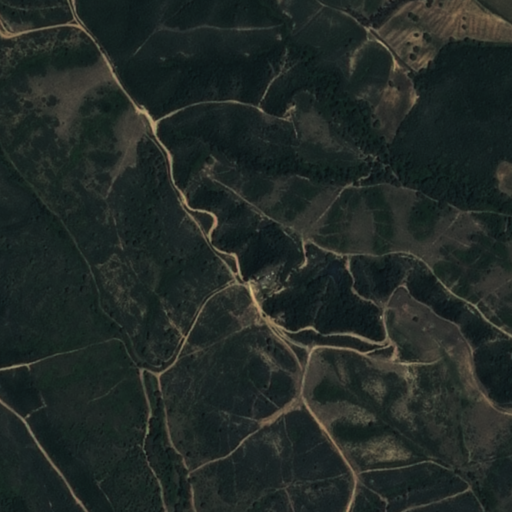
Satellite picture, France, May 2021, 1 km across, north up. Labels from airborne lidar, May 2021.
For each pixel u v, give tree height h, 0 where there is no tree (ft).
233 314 0
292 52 20
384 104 0
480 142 18
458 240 0
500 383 18
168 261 32
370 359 0
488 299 0
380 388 0
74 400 0
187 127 25
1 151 35
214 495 0
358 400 0
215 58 23
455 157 19
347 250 0
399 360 0
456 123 24
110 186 0
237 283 0
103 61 0
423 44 0
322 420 0
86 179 20
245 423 0
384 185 0
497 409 0
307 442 0
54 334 0
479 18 0
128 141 0
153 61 18
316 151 0
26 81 0
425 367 0
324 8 0
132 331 0
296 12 0
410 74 28
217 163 0
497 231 21
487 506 38
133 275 0
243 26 0
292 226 0
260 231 27
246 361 0
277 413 0
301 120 0
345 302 47
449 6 0
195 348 0
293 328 23
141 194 0
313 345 0
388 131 0
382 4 0
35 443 0
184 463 0
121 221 0
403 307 0
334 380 0
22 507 39
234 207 27
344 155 0
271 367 0
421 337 0
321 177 52
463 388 0
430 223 0
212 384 0
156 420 46
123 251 0
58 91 0
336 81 20
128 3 21
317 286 21
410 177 46
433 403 0
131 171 0
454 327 0
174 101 30
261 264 24
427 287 20
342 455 0
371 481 0
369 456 0
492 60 22
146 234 30
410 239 0
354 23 0
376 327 25
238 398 0
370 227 0
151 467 24
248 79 28
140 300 0
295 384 0
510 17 0
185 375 0
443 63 26
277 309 39
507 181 0
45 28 0
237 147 21
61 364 0
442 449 0
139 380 0
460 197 52
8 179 18
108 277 0
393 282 26
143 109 0
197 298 0
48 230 24
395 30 0
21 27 0
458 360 0
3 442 0
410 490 35
